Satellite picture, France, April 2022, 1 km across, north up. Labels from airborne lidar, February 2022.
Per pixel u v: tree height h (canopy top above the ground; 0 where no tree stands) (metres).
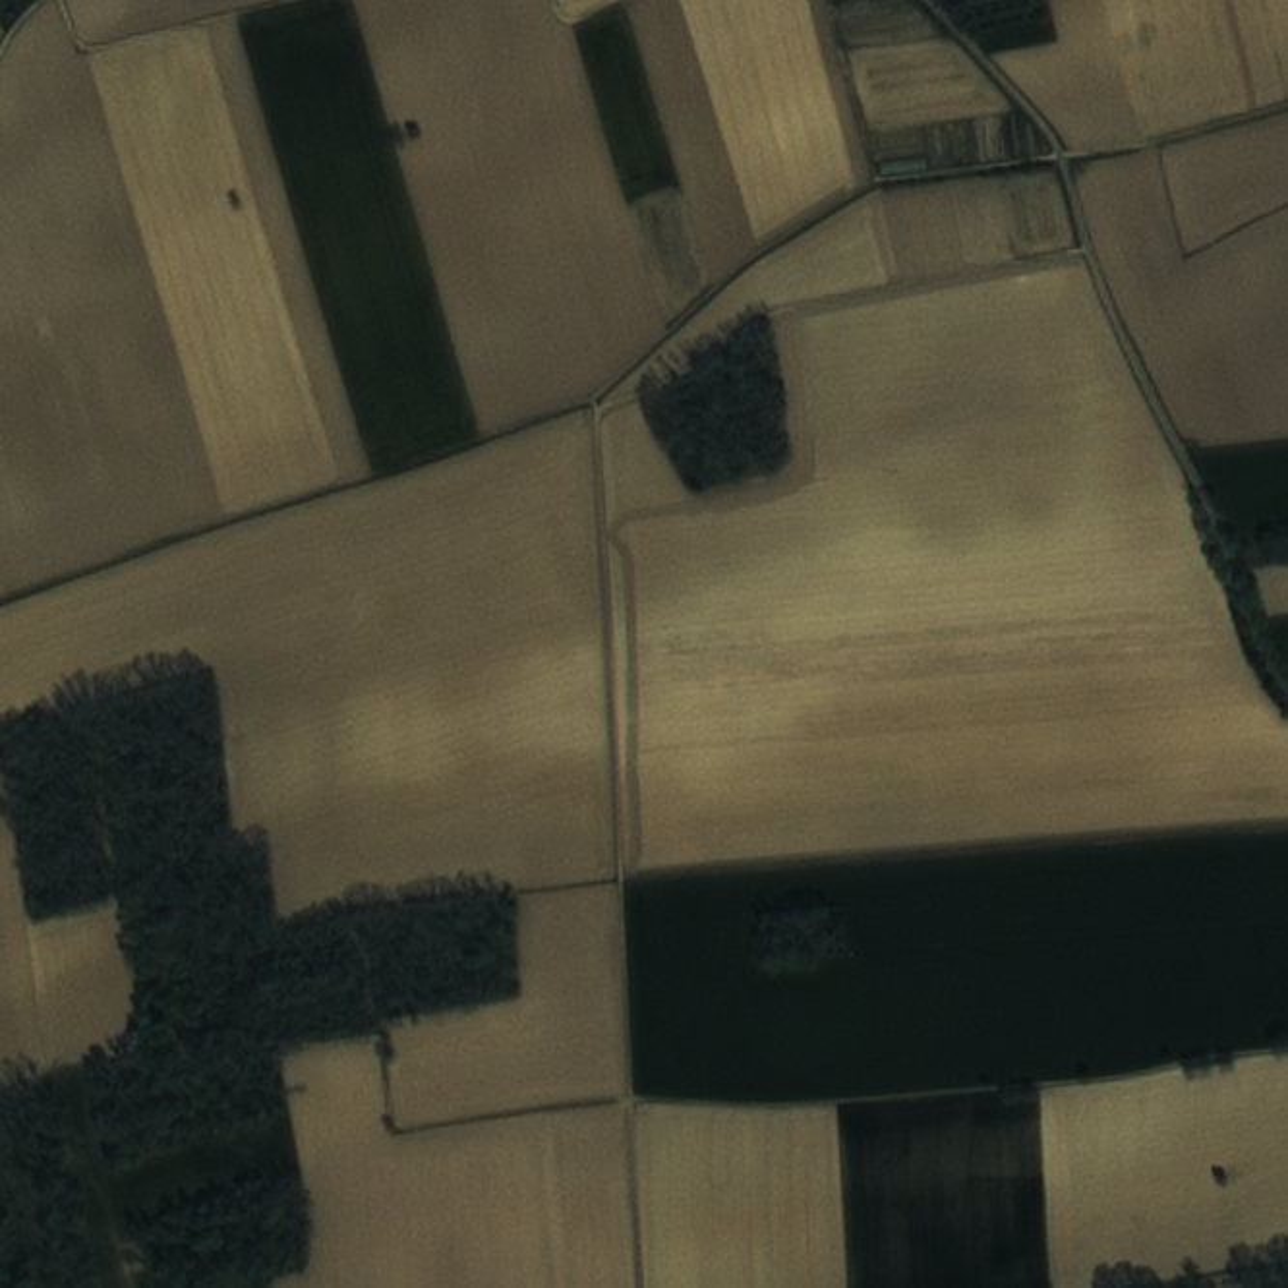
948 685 0
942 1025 0
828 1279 0
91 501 0
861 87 0
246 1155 0
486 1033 0
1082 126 0
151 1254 19
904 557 0
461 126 0
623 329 0
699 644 0
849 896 0
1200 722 0
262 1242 29
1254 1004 0
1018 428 0
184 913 31
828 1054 0
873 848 0
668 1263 0
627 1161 0
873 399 0
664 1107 0
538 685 0
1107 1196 0
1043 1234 0
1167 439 0
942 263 0
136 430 0
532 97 0
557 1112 0
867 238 0
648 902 0
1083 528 0
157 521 0
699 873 0
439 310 0
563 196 0
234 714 0
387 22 0
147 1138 22
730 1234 0
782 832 0
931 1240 0
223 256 0
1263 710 0
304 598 0
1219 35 0
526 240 0
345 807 0
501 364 0
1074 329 0
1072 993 0
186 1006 21
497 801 0
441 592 0
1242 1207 0
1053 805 0
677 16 0
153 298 0
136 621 0
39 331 0
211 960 27
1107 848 0
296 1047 24
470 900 20
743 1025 0
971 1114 0
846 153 0
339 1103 0
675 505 0
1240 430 0
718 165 0
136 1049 20
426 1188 0
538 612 0
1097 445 0
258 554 0
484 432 0
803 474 0
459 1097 0
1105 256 0
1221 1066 10
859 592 0
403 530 0
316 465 0
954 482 0
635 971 0
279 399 0
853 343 0
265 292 0
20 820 21
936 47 0
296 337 0
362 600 0
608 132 0
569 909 0
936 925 0
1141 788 0
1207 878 0
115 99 0
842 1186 0
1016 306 0
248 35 0
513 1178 0
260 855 26
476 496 0
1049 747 0
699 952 0
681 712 0
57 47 0
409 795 0
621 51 0
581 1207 0
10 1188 0
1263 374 0
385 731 0
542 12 0
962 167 0
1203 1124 0
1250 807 0
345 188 0
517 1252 0
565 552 0
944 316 0
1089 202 0
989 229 0
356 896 0
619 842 0
